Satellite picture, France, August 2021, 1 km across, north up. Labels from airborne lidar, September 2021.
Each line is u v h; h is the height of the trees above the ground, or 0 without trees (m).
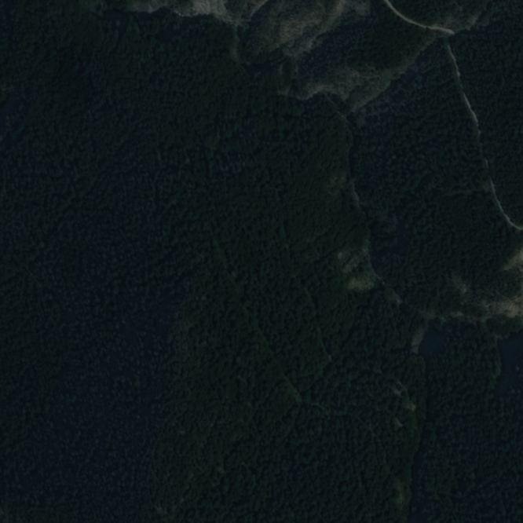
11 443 31
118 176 22
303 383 26
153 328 17
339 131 25
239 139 20
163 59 36
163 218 14
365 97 7
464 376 20
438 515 22
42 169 32
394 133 23
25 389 27
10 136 30
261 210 19
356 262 10
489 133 15
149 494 17
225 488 26
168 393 19
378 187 23
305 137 28
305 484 34
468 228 10
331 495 33
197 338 21
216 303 35
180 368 24
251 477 33
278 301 17
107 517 29
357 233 29
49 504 20
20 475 18
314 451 36
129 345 15
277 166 30
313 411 30
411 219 25
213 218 23
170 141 28
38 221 20
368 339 16
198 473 14
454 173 10
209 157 19
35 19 19
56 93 30
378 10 20
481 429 26
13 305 23
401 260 22
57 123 32
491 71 11
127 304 11
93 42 25
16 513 9
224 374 15
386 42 11
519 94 18
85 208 25
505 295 12
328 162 22
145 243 19
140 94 30
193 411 27
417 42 7
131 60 36
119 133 28
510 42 15
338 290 21
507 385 0
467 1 13
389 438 21
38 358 26
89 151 28
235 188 23
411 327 14
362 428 27
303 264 27
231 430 22
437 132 15
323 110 15
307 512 20
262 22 8
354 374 27
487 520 16
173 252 8
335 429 32
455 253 15
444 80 15
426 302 17
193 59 28
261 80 24
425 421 10
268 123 25
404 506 6
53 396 22
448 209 11
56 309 22
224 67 24
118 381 31
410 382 23
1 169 30
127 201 27
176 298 13
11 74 21
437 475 23
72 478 26
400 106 15
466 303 10
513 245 18
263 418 19
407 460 18
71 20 28
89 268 19
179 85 27
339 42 13
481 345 34
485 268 15
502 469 19
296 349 30
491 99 15
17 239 22
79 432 18
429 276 22
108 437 28
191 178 26
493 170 15
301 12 6
